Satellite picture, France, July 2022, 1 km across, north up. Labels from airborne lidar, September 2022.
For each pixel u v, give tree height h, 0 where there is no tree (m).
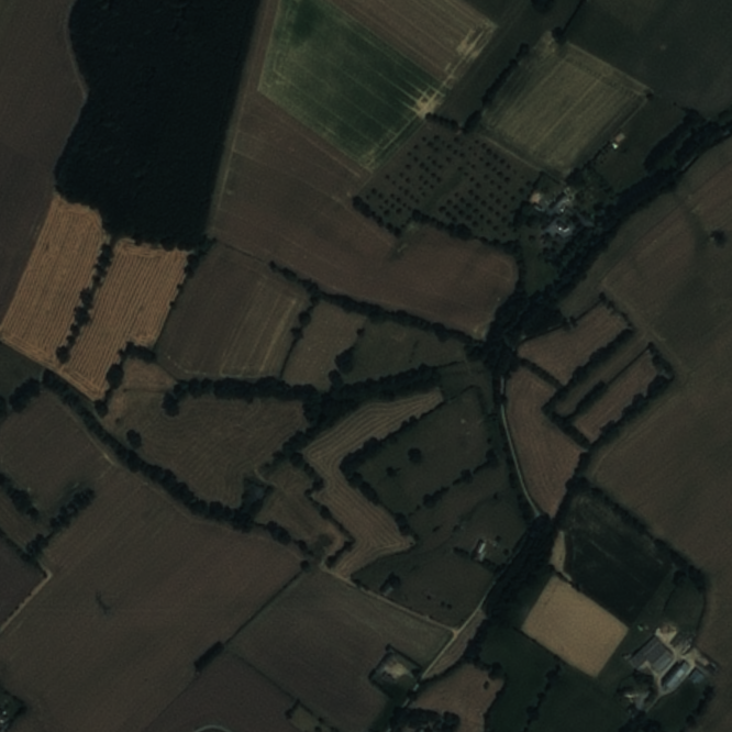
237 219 0
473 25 0
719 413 0
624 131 0
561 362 0
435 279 0
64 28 0
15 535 0
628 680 0
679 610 0
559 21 0
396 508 0
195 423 0
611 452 0
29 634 0
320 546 0
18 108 0
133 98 12
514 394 0
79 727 0
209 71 15
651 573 0
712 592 0
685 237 0
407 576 0
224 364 0
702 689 0
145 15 17
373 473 0
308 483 0
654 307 0
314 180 0
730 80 0
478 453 0
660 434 0
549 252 10
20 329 0
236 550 0
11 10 0
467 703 0
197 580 0
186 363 0
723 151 0
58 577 0
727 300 0
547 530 20
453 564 0
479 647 15
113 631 0
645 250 0
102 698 0
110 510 0
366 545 0
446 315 0
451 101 0
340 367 18
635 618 0
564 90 0
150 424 0
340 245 0
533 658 0
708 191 0
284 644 0
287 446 8
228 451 0
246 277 0
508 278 0
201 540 0
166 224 15
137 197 16
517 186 0
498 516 0
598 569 0
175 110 14
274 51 0
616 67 0
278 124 0
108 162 20
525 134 0
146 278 0
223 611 0
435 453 0
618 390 0
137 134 20
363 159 0
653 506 0
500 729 0
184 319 0
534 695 0
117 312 0
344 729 0
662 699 0
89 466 0
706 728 0
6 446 0
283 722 0
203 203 15
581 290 0
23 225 0
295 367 0
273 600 0
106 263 17
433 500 13
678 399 0
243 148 0
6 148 0
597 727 0
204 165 15
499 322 15
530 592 0
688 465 0
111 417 0
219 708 0
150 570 0
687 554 0
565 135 0
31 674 0
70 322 0
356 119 0
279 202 0
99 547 0
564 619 0
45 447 0
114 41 17
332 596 0
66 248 0
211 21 15
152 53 17
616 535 0
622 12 0
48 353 0
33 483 0
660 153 22
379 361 0
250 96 0
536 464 0
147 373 0
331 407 25
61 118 0
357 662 0
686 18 0
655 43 0
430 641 0
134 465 20
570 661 0
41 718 0
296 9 0
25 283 0
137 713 0
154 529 0
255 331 0
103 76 17
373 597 0
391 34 0
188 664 0
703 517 0
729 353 0
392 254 0
